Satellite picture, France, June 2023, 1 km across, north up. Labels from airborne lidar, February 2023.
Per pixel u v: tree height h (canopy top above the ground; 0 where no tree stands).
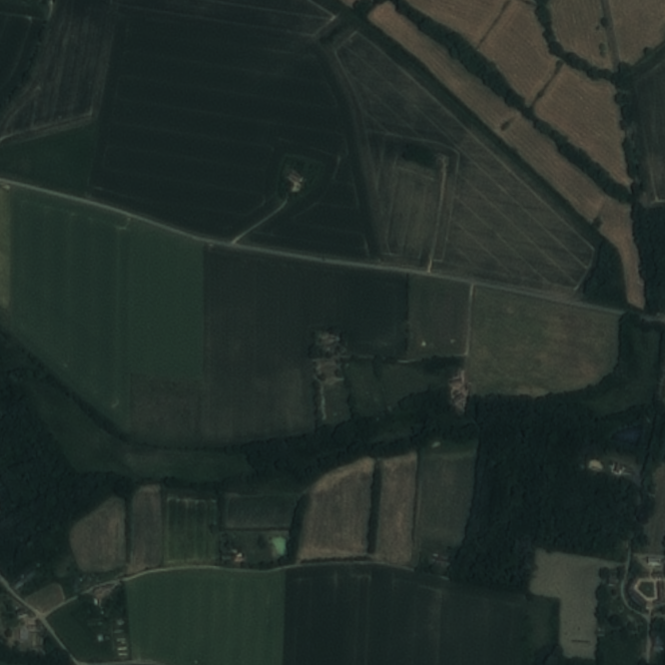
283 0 0
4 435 18
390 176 0
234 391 0
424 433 15
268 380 0
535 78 0
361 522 0
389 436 0
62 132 0
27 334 0
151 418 0
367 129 0
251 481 12
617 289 23
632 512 14
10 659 16
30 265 0
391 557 0
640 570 17
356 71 0
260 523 0
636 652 0
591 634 0
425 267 0
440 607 0
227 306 0
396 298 0
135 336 0
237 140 0
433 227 0
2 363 16
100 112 0
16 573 14
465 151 0
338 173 0
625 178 0
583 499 14
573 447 19
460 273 0
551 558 0
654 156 0
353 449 19
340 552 0
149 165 0
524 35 0
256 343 0
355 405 11
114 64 0
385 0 20
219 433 0
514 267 0
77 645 0
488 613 0
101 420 8
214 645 0
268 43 0
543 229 0
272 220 0
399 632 0
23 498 24
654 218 15
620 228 0
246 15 0
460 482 0
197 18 0
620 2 0
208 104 0
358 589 0
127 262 0
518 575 18
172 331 0
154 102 0
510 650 0
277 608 0
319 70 0
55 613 0
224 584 0
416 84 0
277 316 0
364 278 0
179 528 0
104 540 0
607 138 0
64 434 0
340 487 0
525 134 0
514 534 13
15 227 0
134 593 0
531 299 0
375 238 0
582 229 0
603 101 0
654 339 0
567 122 0
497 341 0
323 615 0
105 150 0
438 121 0
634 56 0
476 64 19
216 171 0
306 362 0
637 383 0
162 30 0
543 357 0
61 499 25
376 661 0
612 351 0
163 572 0
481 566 13
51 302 0
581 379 0
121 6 0
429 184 0
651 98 0
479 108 0
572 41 0
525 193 0
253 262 0
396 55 0
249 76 0
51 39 0
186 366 0
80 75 0
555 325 0
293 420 0
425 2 0
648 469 18
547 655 7
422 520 0
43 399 0
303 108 0
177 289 0
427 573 8
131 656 0
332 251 0
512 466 12
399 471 0
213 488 11
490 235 0
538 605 0
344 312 0
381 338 0
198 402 0
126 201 0
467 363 0
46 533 20
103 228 0
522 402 29
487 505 14
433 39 14
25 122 0
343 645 0
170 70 0
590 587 0
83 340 0
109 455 0
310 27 0
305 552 0
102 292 0
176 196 0
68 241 0
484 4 0
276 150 0
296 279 0
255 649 0
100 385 0
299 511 10
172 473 0
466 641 0
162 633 0
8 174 0
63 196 0
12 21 0
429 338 0
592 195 0
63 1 0
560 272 0
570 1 0
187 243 0
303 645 0
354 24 0
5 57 0
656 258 20
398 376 0
